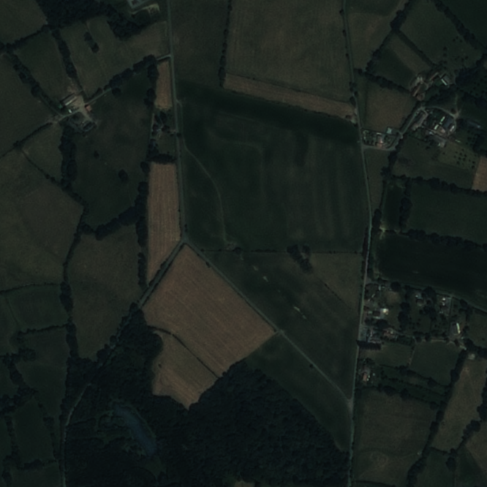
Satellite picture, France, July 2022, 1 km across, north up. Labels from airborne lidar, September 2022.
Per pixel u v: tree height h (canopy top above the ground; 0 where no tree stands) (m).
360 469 0
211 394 13
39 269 0
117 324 0
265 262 0
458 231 0
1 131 0
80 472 13
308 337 0
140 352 6
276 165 0
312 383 0
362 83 0
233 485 0
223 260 0
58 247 0
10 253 0
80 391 13
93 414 6
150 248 0
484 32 0
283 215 0
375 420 0
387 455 0
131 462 13
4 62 0
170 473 11
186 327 0
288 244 0
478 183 0
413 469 12
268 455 12
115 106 0
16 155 0
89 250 0
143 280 13
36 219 0
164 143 0
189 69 0
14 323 0
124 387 12
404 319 20
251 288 0
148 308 0
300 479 16
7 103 0
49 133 0
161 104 0
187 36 0
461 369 10
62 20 24
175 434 15
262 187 0
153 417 19
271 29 0
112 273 0
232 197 0
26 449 0
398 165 0
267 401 10
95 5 22
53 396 0
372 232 9
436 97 10
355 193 0
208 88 0
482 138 15
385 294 0
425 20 0
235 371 12
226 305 0
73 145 13
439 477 0
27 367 0
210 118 0
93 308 0
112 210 0
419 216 0
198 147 0
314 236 0
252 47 0
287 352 0
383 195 6
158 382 0
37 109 0
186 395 0
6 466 6
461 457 0
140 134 0
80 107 0
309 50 0
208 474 11
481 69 8
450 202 0
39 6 18
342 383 0
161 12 0
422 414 0
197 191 0
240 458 15
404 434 0
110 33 0
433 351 0
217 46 0
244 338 0
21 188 0
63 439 7
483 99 12
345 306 0
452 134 0
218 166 0
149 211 0
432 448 7
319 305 0
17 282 0
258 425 23
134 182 0
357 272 0
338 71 0
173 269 0
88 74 0
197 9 0
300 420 8
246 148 0
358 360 9
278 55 0
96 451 11
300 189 0
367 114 0
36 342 0
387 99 0
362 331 0
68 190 13
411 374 12
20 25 0
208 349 0
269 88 0
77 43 0
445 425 0
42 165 0
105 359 17
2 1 0
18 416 0
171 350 0
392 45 0
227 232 0
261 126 0
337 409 0
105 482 13
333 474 8
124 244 0
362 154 0
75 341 23
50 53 0
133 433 0
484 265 0
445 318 19
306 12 0
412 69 0
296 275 0
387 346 0
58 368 0
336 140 0
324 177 0
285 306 0
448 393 12
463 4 0
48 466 0
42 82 0
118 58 0
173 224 0
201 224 0
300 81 0
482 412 18
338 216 0
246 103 0
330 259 0
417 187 0
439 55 0
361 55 0
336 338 0
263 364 0
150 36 0
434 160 0
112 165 0
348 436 0
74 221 0
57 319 0
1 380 0
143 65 14
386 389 12
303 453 8
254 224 0
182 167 0
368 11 0
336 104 0
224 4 0
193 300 0
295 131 0
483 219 0
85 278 0
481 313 8
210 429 16
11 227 0
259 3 0
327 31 0
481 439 0
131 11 0
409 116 8
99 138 0
